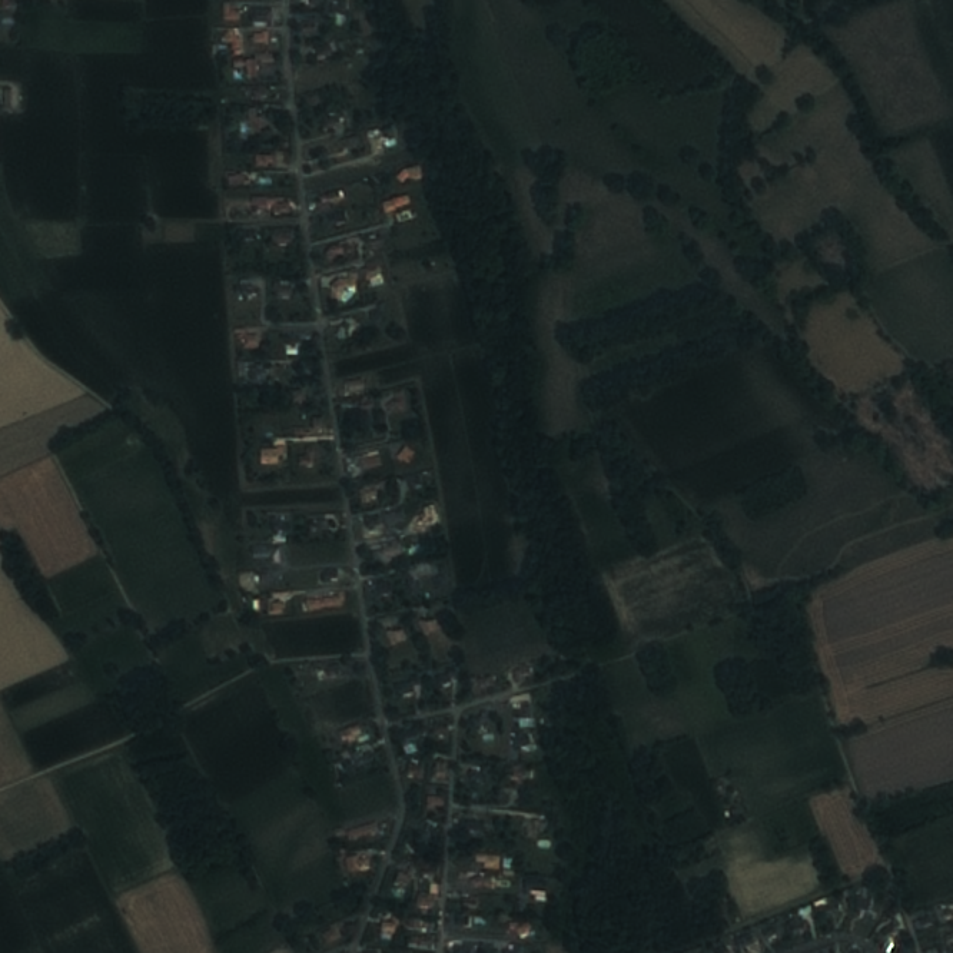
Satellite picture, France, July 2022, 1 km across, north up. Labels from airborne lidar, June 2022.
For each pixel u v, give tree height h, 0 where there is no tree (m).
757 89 14
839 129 0
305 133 10
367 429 20
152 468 0
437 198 19
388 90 27
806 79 0
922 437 16
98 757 0
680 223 0
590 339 22
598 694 22
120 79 0
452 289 0
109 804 0
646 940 13
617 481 25
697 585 0
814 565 0
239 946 0
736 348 12
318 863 0
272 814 0
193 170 0
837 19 20
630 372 25
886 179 25
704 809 0
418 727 16
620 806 8
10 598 0
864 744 0
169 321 0
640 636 0
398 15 22
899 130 0
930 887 0
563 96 0
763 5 13
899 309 0
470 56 0
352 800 0
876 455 24
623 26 0
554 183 17
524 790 11
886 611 0
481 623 0
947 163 0
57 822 0
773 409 0
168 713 20
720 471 0
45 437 0
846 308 0
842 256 22
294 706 0
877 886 20
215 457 0
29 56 0
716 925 18
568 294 0
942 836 0
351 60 0
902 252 0
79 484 0
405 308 0
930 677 0
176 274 0
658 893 16
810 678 19
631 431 0
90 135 0
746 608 12
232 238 11
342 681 0
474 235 24
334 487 0
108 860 0
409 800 14
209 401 0
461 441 0
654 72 0
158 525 0
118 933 0
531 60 0
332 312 10
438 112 25
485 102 0
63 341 0
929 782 0
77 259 0
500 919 10
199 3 0
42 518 0
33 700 0
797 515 0
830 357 0
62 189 0
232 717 0
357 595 0
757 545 0
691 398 0
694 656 0
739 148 27
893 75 0
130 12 0
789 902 0
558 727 23
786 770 0
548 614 23
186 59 0
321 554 0
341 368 0
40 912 0
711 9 0
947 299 0
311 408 20
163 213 0
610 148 0
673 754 0
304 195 0
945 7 0
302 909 18
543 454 13
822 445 16
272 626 0
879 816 8
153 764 13
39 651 0
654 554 9
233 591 0
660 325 21
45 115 0
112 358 0
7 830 0
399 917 10
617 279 0
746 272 21
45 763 0
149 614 0
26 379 0
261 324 0
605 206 0
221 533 0
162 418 0
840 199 0
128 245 0
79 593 0
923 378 23
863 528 0
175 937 0
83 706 0
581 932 15
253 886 6
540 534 14
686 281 0
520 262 28
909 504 0
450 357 0
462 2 0
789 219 0
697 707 0
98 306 0
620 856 20
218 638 0
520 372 18
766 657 7
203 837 19
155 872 0
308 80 0
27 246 0
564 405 0
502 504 0
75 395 0
